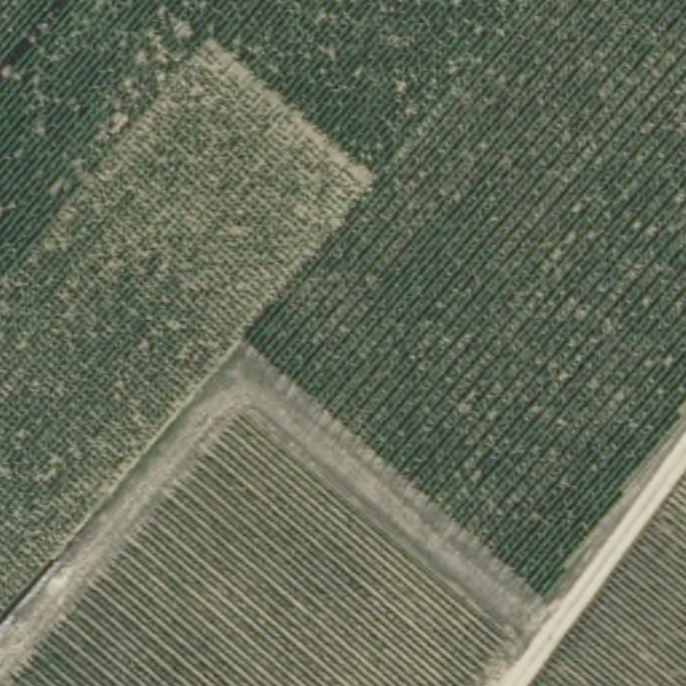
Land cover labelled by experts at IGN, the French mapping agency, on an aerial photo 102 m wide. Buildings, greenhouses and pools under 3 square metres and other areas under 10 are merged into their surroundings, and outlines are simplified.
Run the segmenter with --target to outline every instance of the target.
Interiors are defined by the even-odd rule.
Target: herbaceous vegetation
[[[188,482],[196,472],[193,458],[188,453],[198,450],[209,456],[217,439],[230,429],[236,415],[249,415],[257,423],[257,429],[268,431],[273,442],[287,448],[314,474],[319,474],[327,464],[338,469],[402,531],[407,531],[426,549],[431,549],[448,568],[464,576],[504,614],[506,643],[493,651],[485,667],[490,686],[506,686],[501,681],[501,673],[528,651],[539,630],[552,619],[549,603],[547,598],[536,595],[528,587],[528,581],[520,579],[506,563],[501,563],[493,555],[493,549],[488,549],[474,533],[464,531],[453,517],[442,515],[442,509],[431,504],[426,493],[421,493],[407,477],[402,477],[391,464],[372,453],[362,437],[351,434],[311,394],[305,394],[295,381],[281,375],[249,340],[241,340],[238,351],[220,364],[217,375],[204,383],[196,399],[190,399],[188,407],[182,407],[177,421],[155,439],[155,445],[147,453],[142,453],[139,464],[131,469],[131,474],[139,482],[123,496],[123,501],[113,512],[102,515],[96,533],[78,549],[78,555],[62,568],[62,573],[43,576],[29,590],[29,595],[16,606],[16,611],[0,624],[0,686],[11,686],[16,675],[29,665],[32,646],[40,643],[59,622],[64,622],[67,611],[75,606],[75,590],[94,587],[99,579],[105,579],[107,565],[121,555],[121,549],[139,539],[145,528],[139,509],[150,504],[153,496],[174,496],[174,490],[182,482]]]
[[[630,506],[643,493],[646,482],[654,477],[654,472],[662,466],[667,453],[686,431],[686,402],[678,410],[678,423],[673,426],[670,437],[627,480],[622,498],[565,560],[565,576],[560,584],[568,590],[600,552],[600,547],[608,541],[608,536],[616,531],[616,525],[624,520]]]

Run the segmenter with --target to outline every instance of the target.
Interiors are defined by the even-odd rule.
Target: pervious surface
[[[654,472],[654,477],[646,482],[643,493],[630,506],[624,520],[616,525],[616,531],[608,536],[608,541],[600,547],[600,552],[568,590],[563,598],[549,603],[552,619],[539,630],[528,651],[501,673],[501,681],[506,686],[531,686],[547,657],[560,643],[560,638],[595,598],[600,584],[608,579],[614,565],[630,549],[635,536],[643,531],[648,517],[657,512],[662,498],[670,493],[675,480],[686,469],[686,431],[667,453],[662,466]]]

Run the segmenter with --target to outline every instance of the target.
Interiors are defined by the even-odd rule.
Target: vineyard
[[[257,423],[249,415],[236,415],[230,429],[217,439],[209,456],[198,450],[188,453],[193,458],[196,472],[188,482],[182,482],[174,490],[174,496],[153,496],[150,504],[139,509],[145,528],[139,539],[121,549],[121,555],[107,565],[105,579],[99,579],[94,587],[75,590],[75,606],[67,611],[64,622],[59,622],[40,643],[32,646],[29,665],[16,675],[11,686],[490,686],[485,667],[493,651],[506,643],[504,614],[464,576],[448,568],[431,549],[426,549],[407,531],[402,531],[338,469],[327,464],[319,474],[314,474],[287,448],[273,442],[268,431],[257,429]]]
[[[547,657],[531,686],[686,686],[686,469],[675,480],[670,493],[662,498],[657,512],[648,517],[643,531],[635,536],[630,549],[614,565],[608,579],[600,584],[595,598],[560,638],[560,643]]]
[[[113,512],[123,501],[123,496],[139,482],[131,474],[131,469],[139,464],[142,453],[147,453],[155,445],[155,439],[177,421],[182,407],[188,407],[190,399],[196,399],[204,383],[217,375],[220,364],[238,351],[241,340],[249,340],[281,375],[295,381],[305,394],[311,394],[351,434],[362,437],[372,453],[391,464],[402,477],[407,477],[421,493],[426,493],[431,504],[442,509],[442,515],[453,517],[464,531],[474,533],[488,549],[493,549],[493,555],[501,563],[506,563],[520,579],[528,581],[528,587],[536,595],[547,598],[549,603],[563,598],[568,590],[560,584],[565,576],[565,560],[622,498],[627,480],[670,437],[673,426],[678,423],[678,410],[686,402],[686,0],[0,0],[0,624],[16,611],[16,606],[29,595],[29,590],[43,576],[62,573],[62,568],[78,555],[78,549],[96,533],[102,515]]]

